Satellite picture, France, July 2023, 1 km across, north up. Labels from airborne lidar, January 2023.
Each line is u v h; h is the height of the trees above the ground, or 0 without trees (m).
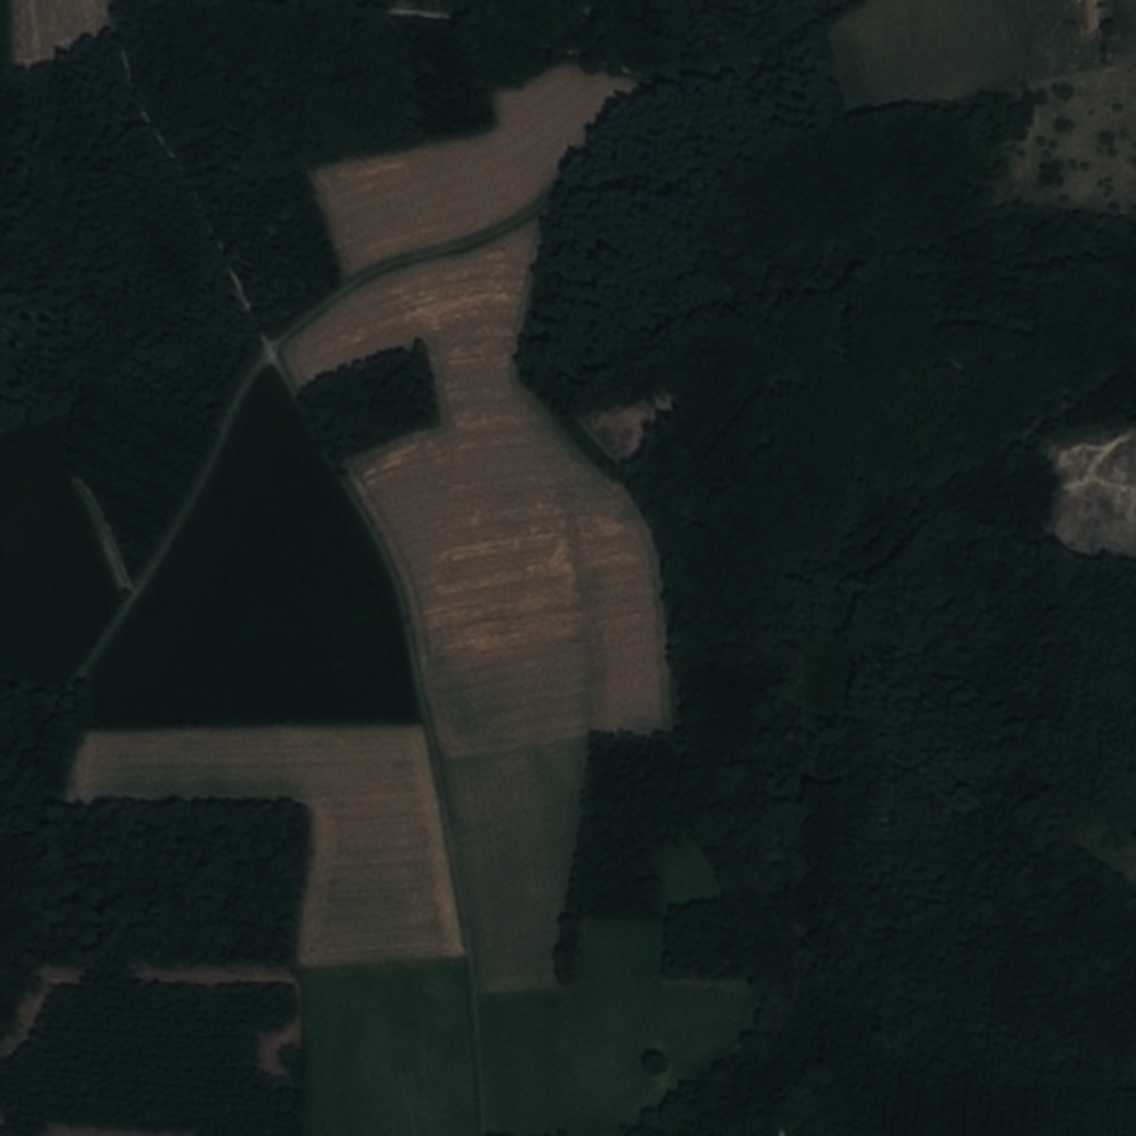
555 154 0
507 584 0
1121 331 30
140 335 17
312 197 13
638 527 0
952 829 21
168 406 10
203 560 0
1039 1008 16
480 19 21
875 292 29
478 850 0
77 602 0
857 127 25
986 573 25
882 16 0
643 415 25
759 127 36
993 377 21
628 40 23
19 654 0
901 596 22
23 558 0
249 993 13
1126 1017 13
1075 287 29
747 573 27
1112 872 13
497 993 0
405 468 0
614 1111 0
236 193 12
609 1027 0
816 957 30
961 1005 19
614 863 16
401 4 20
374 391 15
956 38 0
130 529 13
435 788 0
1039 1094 11
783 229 23
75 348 13
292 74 21
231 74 13
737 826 21
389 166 0
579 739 0
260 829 15
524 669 0
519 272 0
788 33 25
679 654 22
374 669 0
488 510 0
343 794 0
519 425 0
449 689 0
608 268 37
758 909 22
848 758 26
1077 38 0
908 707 20
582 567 0
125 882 23
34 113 16
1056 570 22
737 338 30
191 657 0
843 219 30
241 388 12
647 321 31
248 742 0
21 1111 16
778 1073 10
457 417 0
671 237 33
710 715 17
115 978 12
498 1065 0
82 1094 15
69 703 17
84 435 11
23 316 28
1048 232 16
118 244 19
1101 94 0
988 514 18
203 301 21
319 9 20
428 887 0
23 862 33
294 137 24
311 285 9
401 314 0
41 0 0
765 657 26
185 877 20
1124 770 18
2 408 23
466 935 0
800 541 28
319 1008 0
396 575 0
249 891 17
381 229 0
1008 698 13
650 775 8
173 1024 14
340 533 0
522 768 0
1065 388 27
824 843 26
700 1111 20
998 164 8
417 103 21
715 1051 0
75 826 22
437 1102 0
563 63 8
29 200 19
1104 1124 13
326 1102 0
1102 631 20
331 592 0
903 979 23
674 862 0
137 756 0
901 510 22
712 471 26
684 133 32
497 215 0
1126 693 24
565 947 13
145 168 23
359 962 0
